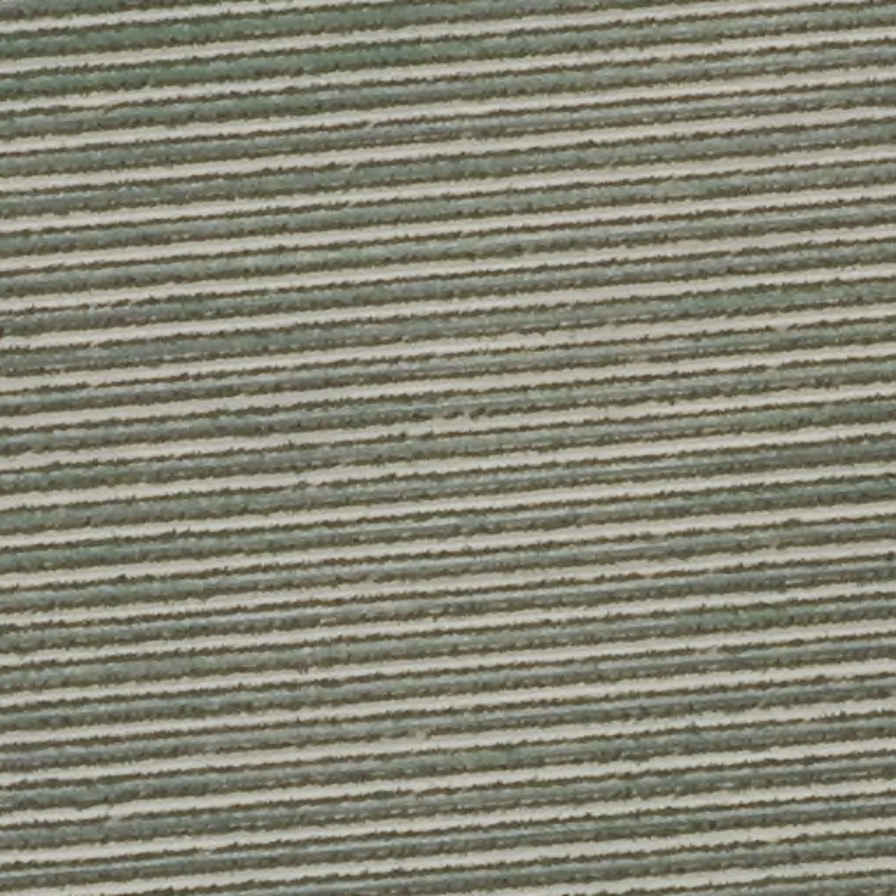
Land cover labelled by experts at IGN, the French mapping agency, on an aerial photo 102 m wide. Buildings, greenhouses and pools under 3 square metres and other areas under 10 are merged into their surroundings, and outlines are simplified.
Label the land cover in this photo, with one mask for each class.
<instances>
[{"label":"vineyard","instance_id":"1","mask_svg":"<svg viewBox=\"0 0 896 896\"><path fill-rule=\"evenodd\" d=\"M0 896H896V0H0Z\"/></svg>","mask_w":896,"mask_h":896}]
</instances>
